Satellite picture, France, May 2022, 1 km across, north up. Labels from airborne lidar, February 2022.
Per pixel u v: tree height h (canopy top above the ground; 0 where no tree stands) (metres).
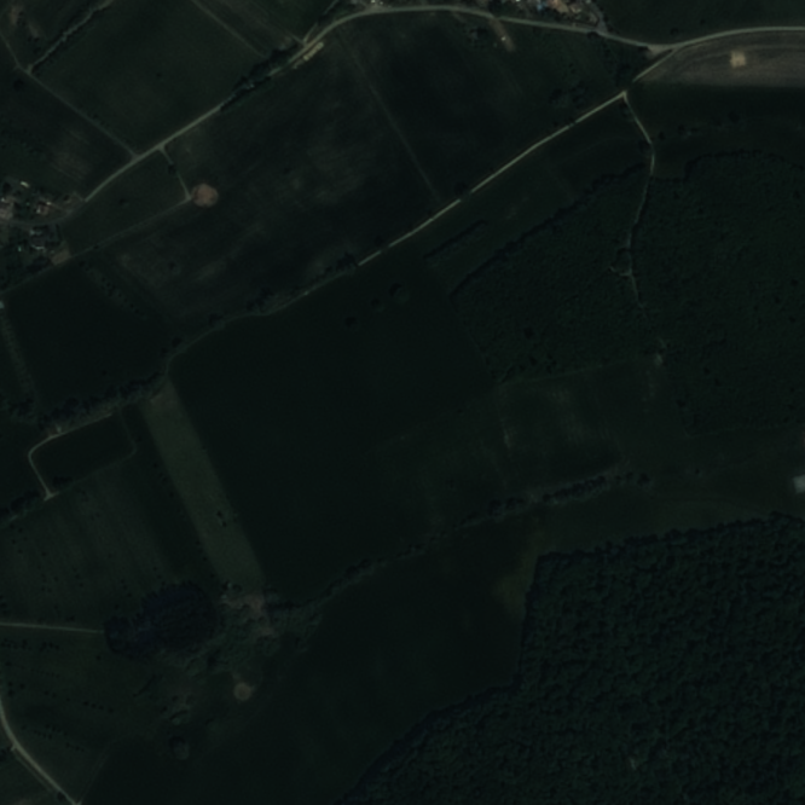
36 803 0
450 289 0
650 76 0
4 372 0
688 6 0
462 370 0
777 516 11
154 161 0
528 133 0
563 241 10
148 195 0
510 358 10
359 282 0
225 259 0
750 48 0
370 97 0
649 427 0
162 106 0
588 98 6
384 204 0
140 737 0
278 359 0
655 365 0
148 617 11
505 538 0
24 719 0
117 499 0
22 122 0
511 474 0
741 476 0
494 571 0
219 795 0
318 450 0
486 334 11
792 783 28
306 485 0
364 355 0
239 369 0
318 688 0
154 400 0
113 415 0
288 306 0
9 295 0
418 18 0
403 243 0
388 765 18
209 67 0
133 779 0
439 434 0
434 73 0
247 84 13
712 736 21
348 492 0
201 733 0
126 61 0
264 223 0
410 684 0
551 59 0
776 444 0
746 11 0
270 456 0
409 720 0
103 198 0
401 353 0
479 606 0
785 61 0
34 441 0
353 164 0
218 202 0
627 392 0
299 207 0
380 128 0
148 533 0
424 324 0
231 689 0
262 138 0
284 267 0
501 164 0
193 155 0
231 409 0
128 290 0
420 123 0
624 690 26
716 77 0
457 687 0
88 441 0
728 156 10
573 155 0
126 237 0
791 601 28
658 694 25
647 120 0
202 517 0
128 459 0
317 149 0
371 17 0
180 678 0
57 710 0
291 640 0
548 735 26
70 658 0
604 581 26
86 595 0
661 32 0
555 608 26
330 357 0
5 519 15
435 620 0
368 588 0
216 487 0
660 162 0
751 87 0
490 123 0
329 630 0
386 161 0
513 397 0
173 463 0
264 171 0
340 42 0
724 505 0
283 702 0
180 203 0
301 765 0
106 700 0
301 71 0
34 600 0
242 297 0
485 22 0
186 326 0
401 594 0
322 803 0
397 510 0
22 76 0
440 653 0
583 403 0
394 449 0
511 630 0
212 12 0
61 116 0
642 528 0
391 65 0
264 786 0
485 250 0
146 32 0
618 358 8
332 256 0
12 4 0
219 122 0
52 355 0
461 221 0
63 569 0
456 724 24
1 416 0
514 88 0
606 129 0
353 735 0
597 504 0
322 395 0
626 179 11
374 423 0
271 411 0
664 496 0
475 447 0
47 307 0
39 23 0
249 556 0
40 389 0
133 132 0
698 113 0
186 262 0
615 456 0
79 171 0
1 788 0
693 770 25
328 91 0
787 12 0
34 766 0
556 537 0
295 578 0
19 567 0
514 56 0
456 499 0
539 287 13
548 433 0
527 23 0
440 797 29
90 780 0
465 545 0
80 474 0
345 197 0
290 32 0
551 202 0
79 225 0
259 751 0
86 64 0
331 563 0
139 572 0
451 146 0
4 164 0
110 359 0
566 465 0
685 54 0
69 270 0
